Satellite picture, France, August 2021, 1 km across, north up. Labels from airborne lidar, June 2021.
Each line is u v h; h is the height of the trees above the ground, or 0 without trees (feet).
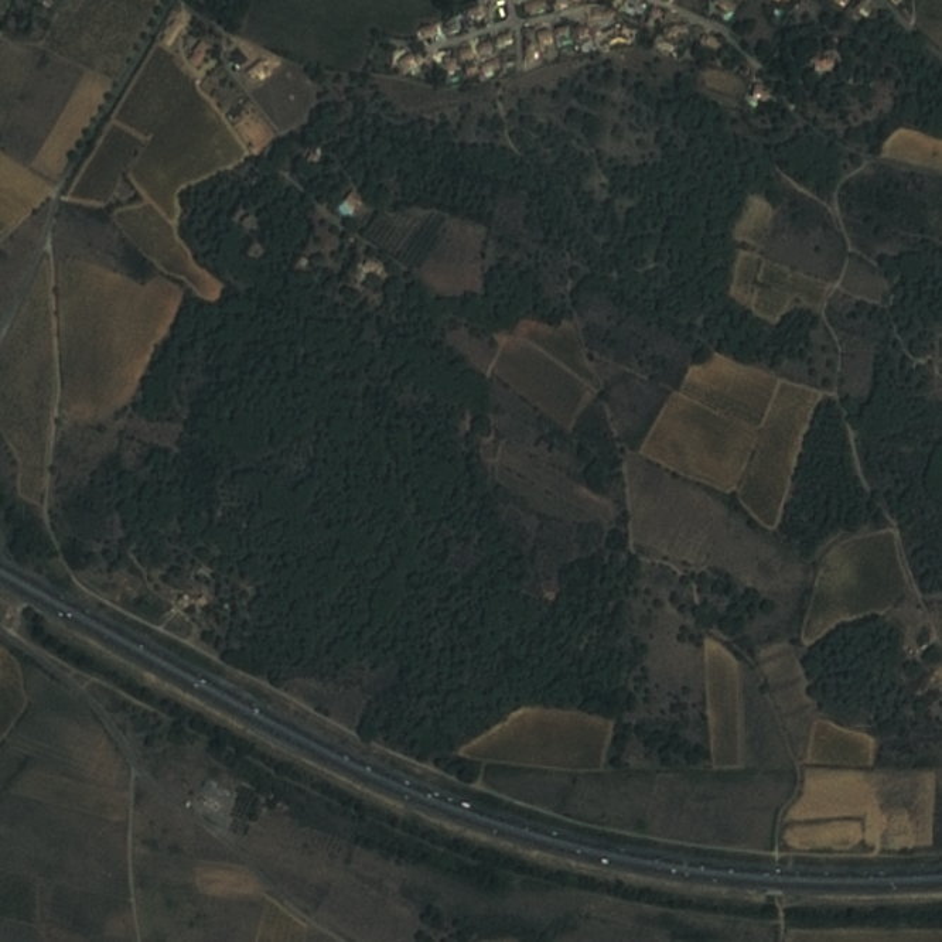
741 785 0
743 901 0
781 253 0
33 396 0
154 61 0
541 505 0
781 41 20
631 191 23
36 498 0
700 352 29
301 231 30
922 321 19
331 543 21
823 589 0
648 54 0
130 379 0
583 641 20
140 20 0
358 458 27
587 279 27
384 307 23
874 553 0
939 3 0
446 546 28
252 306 34
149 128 0
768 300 0
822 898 0
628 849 0
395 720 20
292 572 34
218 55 25
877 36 32
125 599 0
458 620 37
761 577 0
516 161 25
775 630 0
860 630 33
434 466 38
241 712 0
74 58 0
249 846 0
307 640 37
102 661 0
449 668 22
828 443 31
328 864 0
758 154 35
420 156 28
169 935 0
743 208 27
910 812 0
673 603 26
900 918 20
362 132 30
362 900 0
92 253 0
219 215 31
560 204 22
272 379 22
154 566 41
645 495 0
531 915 0
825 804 0
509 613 32
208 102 0
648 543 0
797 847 0
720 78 0
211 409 30
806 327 21
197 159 0
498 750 0
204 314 30
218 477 29
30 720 0
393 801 0
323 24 0
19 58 0
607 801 0
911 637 0
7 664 0
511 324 27
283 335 36
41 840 0
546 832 0
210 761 0
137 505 31
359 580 25
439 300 29
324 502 22
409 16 0
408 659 29
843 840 0
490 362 0
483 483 33
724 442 0
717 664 0
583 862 0
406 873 0
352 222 39
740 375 0
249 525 24
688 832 0
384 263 26
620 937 0
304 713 0
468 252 0
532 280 23
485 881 41
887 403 26
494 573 25
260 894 0
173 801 0
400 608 23
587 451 32
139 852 0
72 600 0
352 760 0
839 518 27
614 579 24
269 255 24
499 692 28
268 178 25
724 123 36
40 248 0
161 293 0
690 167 22
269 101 0
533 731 0
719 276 33
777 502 0
